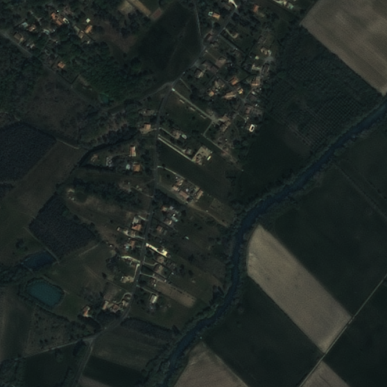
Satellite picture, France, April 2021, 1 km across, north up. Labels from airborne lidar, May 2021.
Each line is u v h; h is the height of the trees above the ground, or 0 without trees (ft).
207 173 0
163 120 28
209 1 23
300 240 0
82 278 0
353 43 0
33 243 0
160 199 47
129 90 70
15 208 0
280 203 45
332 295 0
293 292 0
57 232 41
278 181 0
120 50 0
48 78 0
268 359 0
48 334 0
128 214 0
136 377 0
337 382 0
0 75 40
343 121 42
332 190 0
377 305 0
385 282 43
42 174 0
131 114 72
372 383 0
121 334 0
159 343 0
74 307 0
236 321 0
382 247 0
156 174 0
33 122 0
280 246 0
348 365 0
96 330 29
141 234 28
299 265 0
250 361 0
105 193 19
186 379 0
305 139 28
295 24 45
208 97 46
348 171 0
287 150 0
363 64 0
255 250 0
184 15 0
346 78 47
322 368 0
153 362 29
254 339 0
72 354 0
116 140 62
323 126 34
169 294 0
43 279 44
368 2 0
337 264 0
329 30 0
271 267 0
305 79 26
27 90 48
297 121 46
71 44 59
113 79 83
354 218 0
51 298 0
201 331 46
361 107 40
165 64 0
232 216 0
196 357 0
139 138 43
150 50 0
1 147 45
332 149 0
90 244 0
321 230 0
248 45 0
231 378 0
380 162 0
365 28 0
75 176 0
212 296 0
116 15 50
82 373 0
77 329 61
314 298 0
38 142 49
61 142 0
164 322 0
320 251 0
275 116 47
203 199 0
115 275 0
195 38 0
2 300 97
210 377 0
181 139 31
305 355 0
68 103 0
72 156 0
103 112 74
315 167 0
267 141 0
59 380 0
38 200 0
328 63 48
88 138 60
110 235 0
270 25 30
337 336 0
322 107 32
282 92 41
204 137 0
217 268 0
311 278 0
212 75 0
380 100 39
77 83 0
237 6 0
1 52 57
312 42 0
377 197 0
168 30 0
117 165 43
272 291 0
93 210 0
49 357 0
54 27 44
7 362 29
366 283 0
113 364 0
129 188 0
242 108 0
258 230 0
